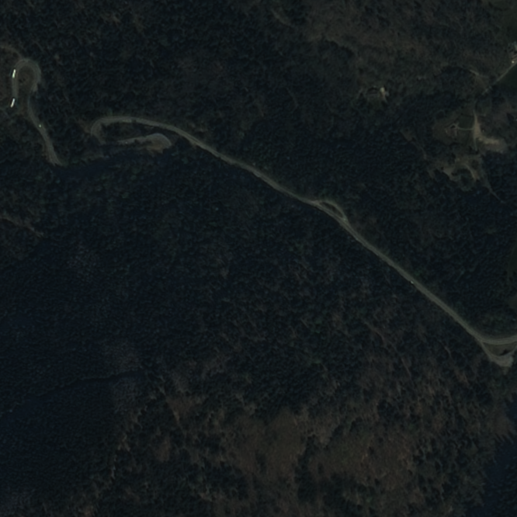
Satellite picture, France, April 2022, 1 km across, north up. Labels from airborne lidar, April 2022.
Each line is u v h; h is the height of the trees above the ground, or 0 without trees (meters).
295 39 19
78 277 25
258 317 16
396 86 15
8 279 29
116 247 24
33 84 0
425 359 27
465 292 32
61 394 25
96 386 18
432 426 25
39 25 34
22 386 23
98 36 8
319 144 29
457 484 34
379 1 14
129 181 30
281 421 17
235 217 33
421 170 19
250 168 0
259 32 31
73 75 40
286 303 20
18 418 23
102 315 25
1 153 27
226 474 22
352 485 14
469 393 37
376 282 15
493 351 0
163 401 22
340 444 18
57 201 9
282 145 33
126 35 9
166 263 30
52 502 21
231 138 27
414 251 26
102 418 23
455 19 14
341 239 28
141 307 27
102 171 28
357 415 12
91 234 40
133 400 25
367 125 21
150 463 24
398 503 8
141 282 27
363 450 22
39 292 24
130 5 26
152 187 29
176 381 28
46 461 19
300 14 16
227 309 25
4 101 7
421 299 26
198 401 9
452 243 28
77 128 13
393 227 27
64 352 25
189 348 21
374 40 9
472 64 19
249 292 27
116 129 10
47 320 28
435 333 26
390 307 18
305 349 19
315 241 19
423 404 13
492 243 31
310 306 22
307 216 27
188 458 30
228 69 25
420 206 11
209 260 20
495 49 20
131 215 27
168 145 0
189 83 35
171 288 29
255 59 9
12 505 19
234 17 26
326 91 20
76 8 27
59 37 34
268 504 25
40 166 28
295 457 11
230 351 21
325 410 14
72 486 21
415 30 23
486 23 22
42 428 26
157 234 31
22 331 21
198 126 23
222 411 8
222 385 21
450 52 23
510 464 29
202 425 17
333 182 35
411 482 8
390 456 19
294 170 27
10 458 27
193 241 30
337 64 24
